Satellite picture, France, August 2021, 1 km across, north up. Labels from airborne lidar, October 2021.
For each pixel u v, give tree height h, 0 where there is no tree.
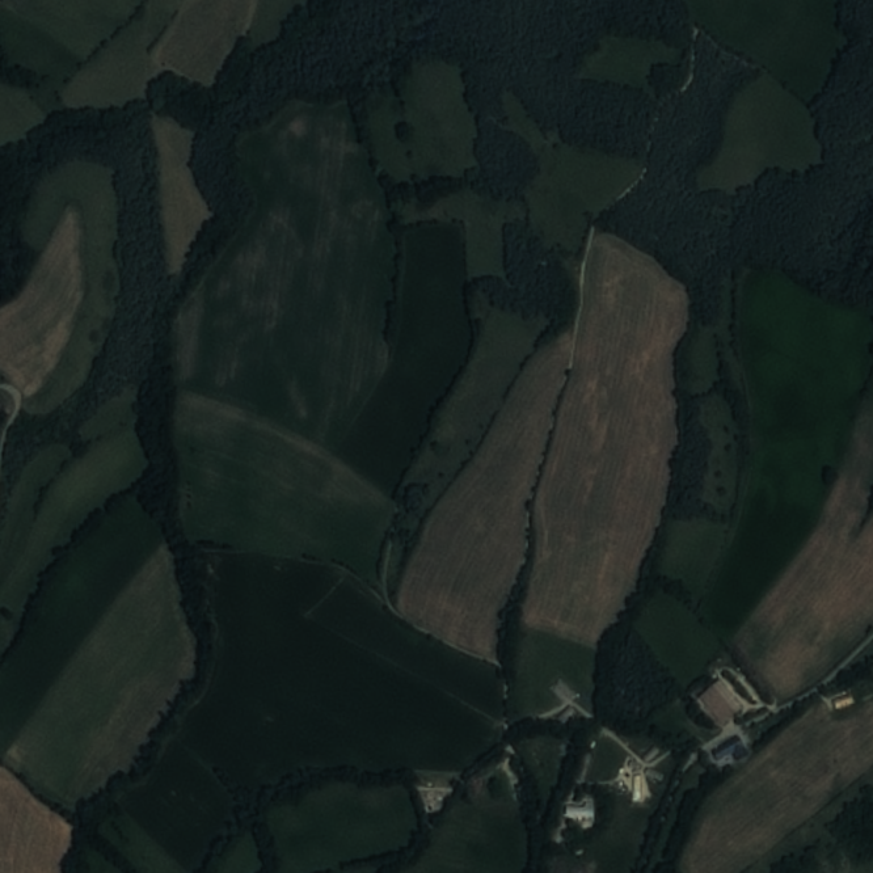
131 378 9
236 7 0
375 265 0
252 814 18
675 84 8
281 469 0
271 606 0
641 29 13
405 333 0
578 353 0
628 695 11
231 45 0
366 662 0
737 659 7
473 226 0
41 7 0
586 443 0
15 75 18
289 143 0
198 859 0
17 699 0
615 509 0
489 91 10
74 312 0
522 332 0
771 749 0
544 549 0
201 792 0
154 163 12
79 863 22
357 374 0
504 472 0
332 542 0
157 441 27
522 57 6
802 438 0
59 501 0
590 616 0
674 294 0
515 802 0
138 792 0
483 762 11
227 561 0
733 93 10
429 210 0
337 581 0
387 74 15
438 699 0
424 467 0
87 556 0
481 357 0
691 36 8
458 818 0
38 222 0
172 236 0
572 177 0
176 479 14
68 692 0
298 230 0
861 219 19
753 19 0
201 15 0
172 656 0
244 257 0
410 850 12
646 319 0
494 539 0
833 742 0
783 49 0
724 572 0
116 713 0
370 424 0
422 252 0
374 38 13
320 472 0
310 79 13
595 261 0
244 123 18
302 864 0
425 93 0
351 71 17
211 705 0
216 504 0
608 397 0
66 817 15
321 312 0
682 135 6
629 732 12
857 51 17
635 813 0
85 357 0
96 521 19
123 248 13
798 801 0
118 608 0
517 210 0
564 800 10
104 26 0
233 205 16
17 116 0
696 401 12
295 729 0
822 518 0
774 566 0
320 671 0
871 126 7
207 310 0
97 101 0
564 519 0
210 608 13
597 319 0
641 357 0
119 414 0
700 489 13
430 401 0
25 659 0
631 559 0
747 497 0
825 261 10
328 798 0
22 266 14
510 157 8
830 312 0
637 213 8
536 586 0
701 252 10
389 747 0
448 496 0
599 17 11
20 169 13
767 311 0
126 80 0
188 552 23
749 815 0
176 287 12
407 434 0
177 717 19
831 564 0
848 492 0
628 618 14
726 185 0
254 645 0
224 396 0
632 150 10
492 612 0
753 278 0
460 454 0
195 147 10
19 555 0
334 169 0
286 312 0
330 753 0
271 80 15
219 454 0
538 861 14
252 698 0
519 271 12
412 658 0
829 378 0
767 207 15
